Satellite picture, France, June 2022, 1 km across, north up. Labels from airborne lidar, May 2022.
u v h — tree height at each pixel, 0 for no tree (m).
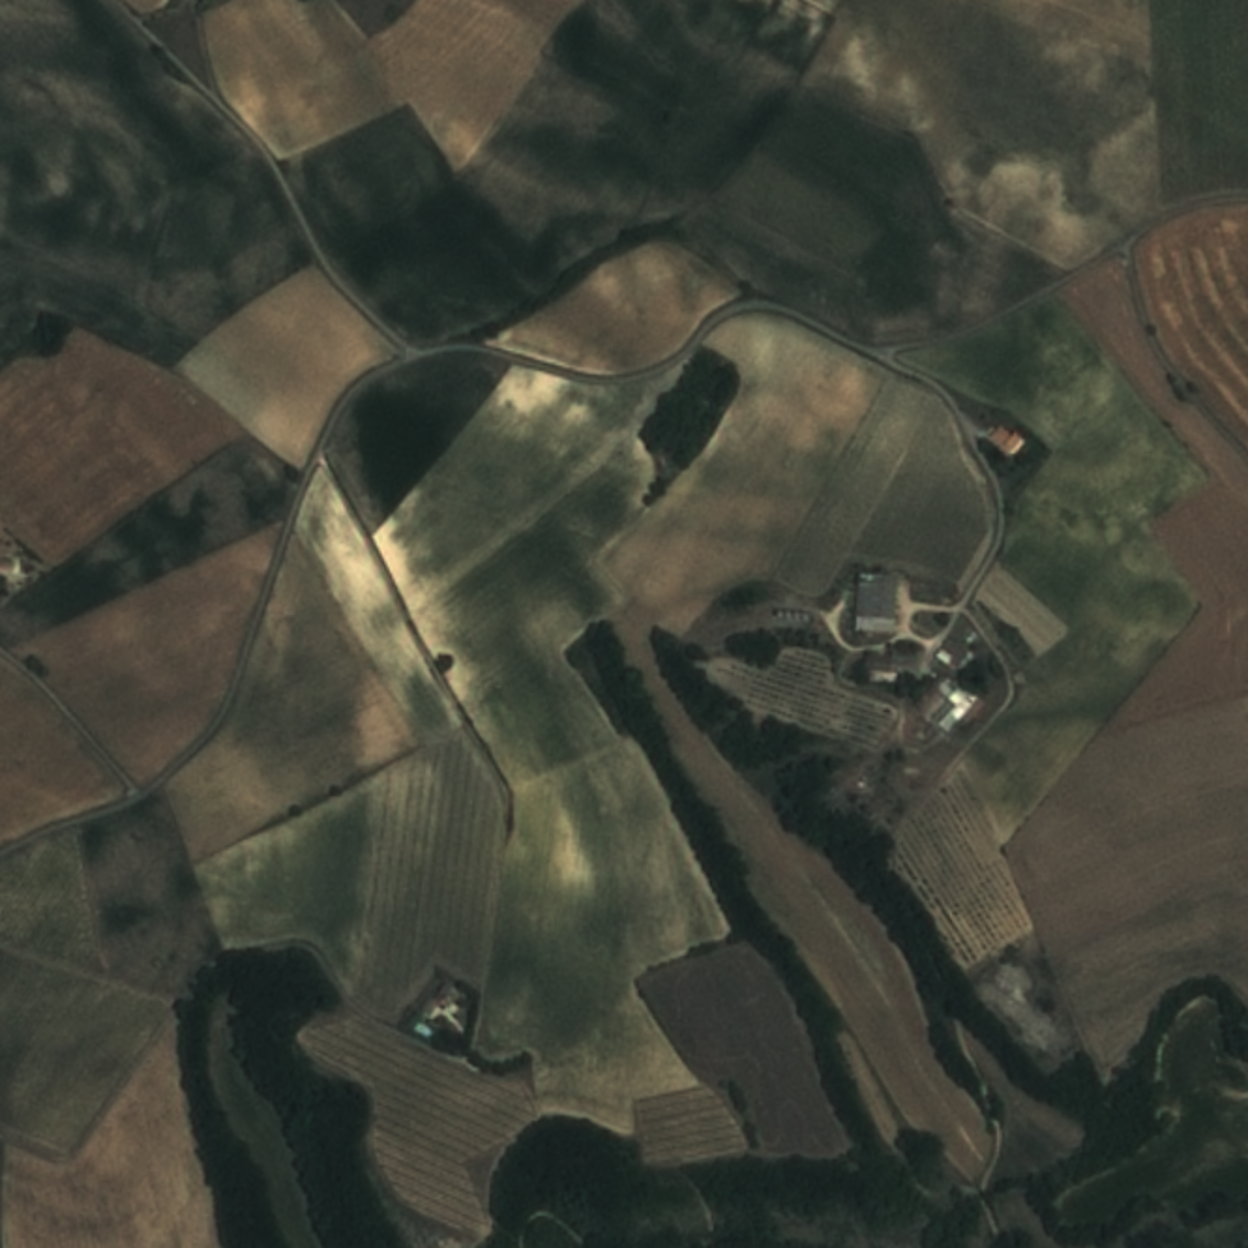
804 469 0
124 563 0
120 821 0
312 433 0
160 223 0
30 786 0
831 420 0
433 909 0
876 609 0
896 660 0
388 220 0
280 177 0
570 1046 0
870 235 0
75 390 0
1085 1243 8
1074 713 0
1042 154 0
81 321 0
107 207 0
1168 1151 0
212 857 0
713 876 13
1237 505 0
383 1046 0
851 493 0
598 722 0
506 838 0
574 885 0
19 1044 0
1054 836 0
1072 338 0
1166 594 0
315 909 0
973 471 0
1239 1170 0
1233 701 0
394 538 0
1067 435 0
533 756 0
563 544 0
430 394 0
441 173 0
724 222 0
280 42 0
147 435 0
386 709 0
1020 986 0
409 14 0
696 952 8
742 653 10
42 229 0
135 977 0
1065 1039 0
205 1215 0
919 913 12
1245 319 0
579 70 0
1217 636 0
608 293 0
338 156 0
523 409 0
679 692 13
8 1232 0
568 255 0
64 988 0
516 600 0
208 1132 17
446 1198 0
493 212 0
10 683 0
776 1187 15
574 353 0
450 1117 0
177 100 0
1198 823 0
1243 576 0
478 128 0
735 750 11
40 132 0
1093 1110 13
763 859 0
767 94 0
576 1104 0
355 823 0
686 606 0
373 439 0
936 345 0
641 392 0
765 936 15
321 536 0
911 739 0
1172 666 0
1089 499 0
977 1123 0
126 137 0
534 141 0
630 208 0
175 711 0
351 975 0
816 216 0
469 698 0
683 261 0
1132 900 0
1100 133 0
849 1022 0
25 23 0
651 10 0
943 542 0
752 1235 9
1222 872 0
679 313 0
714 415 9
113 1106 0
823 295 0
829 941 0
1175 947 0
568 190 0
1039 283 0
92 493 0
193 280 0
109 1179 0
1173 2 0
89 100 0
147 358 0
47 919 0
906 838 0
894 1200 11
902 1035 0
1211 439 0
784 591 0
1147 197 0
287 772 0
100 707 0
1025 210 0
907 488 0
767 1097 0
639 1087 0
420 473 0
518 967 0
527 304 6
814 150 0
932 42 0
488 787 0
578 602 0
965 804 0
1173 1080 0
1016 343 0
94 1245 0
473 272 0
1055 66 0
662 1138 0
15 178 0
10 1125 0
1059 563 0
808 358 0
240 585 0
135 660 0
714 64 0
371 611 0
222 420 0
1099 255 0
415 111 0
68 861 0
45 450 0
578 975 0
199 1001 12
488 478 0
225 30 0
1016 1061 14
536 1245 10
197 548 0
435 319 0
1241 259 0
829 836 14
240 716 0
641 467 0
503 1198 9
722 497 0
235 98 0
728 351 0
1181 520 0
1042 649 0
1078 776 0
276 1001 12
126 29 0
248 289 0
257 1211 17
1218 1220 24
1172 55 0
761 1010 0
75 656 0
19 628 0
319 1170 18
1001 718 0
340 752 0
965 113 0
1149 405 0
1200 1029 0
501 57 0
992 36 0
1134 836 0
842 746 0
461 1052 10
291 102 0
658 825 0
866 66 0
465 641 0
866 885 19
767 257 0
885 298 0
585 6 0
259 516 0
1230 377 0
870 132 0
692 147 0
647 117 0
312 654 0
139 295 0
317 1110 16
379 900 0
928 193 0
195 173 0
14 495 0
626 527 0
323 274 0
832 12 0
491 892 0
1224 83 0
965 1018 16
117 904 0
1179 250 0
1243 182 0
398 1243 12
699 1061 0
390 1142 0
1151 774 0
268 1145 0
